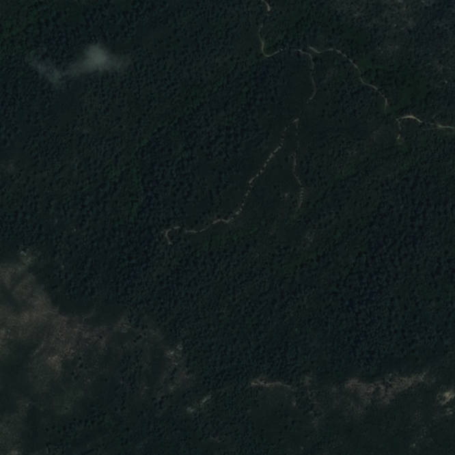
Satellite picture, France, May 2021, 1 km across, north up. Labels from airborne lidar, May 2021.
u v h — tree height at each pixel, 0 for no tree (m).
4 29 25
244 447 16
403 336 6
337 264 12
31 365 0
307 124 8
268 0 6
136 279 20
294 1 6
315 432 6
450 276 13
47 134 20
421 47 8
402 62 6
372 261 19
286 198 20
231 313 14
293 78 6
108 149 18
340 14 11
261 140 6
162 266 23
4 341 0
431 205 23
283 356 6
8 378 0
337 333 12
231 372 7
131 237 14
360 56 13
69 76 19
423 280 12
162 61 20
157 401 18
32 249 15
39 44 19
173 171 24
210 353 17
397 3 7
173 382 7
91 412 6
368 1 7
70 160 7
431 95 16
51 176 10
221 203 8
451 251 9
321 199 8
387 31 7
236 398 15
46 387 0
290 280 18
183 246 18
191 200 22
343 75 7
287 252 17
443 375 6
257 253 7
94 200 9
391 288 25
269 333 6
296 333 11
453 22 5
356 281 18
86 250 12
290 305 20
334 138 7
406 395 9
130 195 16
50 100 21
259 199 6
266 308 8
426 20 7
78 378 17
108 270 12
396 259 20
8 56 16
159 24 7
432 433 9
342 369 8
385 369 6
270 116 19
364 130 6
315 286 8
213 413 13
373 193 7
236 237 18
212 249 11
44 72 6
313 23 7
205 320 16
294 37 12
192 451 14
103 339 13
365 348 23
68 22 6
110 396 6
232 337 9
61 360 0
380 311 28
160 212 16
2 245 7
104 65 19
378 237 14
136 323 7
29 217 21
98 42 18
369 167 8
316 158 16
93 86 22
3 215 6
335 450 8
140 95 18
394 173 11
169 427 6
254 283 22
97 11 21
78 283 14
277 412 12
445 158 17
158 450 8
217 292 6
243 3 20
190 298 6
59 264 7
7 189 5
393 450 9
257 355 7
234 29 21
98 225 8
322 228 21
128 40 19
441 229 9
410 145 9
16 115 23
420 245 25
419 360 20
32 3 17
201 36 18
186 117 20
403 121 6
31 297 0
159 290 9
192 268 28
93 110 21
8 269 0
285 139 7
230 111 13
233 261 20
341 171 8
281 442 15
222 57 23
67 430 20
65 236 18
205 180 17
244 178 9
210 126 25
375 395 8
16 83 11
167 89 18
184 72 20
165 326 12
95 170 21
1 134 18
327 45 7
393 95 7
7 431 0
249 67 14
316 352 8
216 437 16
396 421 9
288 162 20
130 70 15
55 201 24
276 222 6
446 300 10
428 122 7
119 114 6
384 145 8
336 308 17
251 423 6
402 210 14
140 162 12
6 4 13
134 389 16
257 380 13
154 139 10
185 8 19
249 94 19
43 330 0
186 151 27
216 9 16
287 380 13
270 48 11
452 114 9
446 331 7
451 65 9
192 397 6
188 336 6
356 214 7
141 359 10
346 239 17
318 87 8
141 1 13
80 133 9
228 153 23
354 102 22
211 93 18
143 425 7
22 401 0
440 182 10
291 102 6
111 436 6
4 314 0
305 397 16
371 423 11
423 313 8
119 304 21
